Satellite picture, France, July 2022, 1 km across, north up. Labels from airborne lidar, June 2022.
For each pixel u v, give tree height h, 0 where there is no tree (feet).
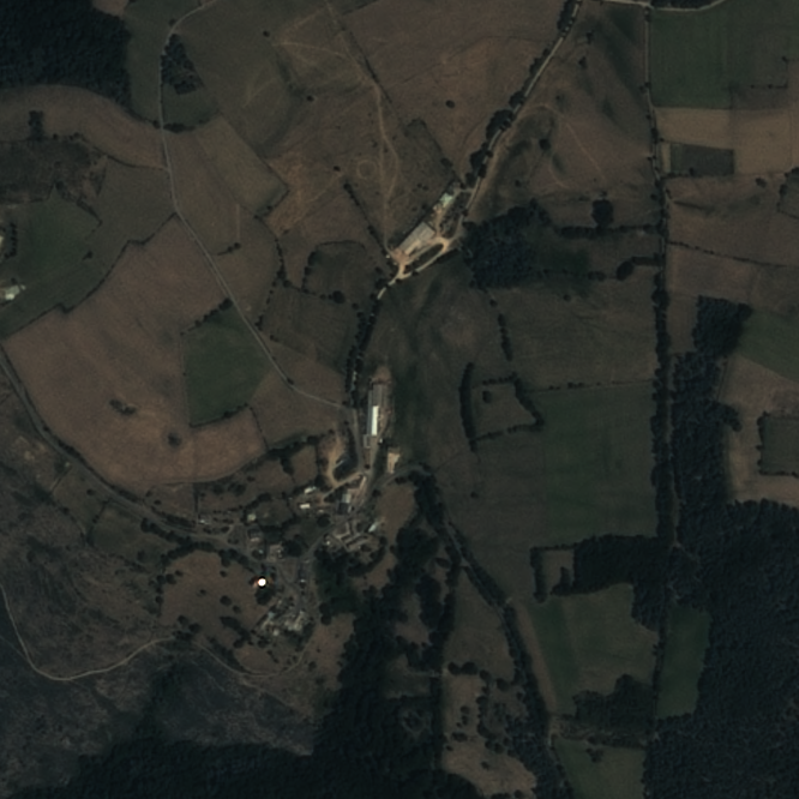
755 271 0
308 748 0
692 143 0
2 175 0
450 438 0
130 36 35
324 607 37
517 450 0
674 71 0
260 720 0
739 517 60
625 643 0
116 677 0
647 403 0
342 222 0
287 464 42
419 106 0
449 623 48
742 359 0
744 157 0
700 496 40
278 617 18
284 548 27
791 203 0
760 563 58
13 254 21
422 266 0
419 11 0
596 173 0
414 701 29
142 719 25
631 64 0
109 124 0
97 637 0
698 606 62
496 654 0
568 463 0
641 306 0
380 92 0
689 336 0
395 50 0
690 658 0
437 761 19
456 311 0
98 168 0
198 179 0
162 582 37
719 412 62
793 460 0
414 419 0
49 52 45
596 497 0
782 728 31
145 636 0
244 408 20
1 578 0
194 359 0
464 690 0
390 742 46
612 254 0
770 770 65
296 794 72
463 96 0
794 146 0
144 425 0
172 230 0
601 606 0
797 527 41
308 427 0
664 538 44
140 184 0
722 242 0
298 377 0
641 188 0
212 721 0
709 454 33
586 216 0
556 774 45
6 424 0
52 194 0
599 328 0
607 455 0
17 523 0
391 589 67
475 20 0
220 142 0
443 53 0
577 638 0
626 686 24
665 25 0
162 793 53
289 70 0
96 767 44
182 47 41
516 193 0
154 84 0
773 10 0
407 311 0
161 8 0
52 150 0
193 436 0
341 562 40
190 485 0
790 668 58
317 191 0
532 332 0
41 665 0
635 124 0
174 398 0
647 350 0
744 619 68
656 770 67
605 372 0
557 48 0
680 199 0
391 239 0
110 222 0
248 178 0
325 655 0
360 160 0
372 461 0
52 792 53
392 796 88
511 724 41
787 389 0
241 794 70
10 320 0
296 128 0
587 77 0
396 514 0
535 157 0
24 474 0
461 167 0
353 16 0
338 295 45
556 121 0
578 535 0
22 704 0
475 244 27
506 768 0
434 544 30
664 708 0
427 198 0
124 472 0
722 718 51
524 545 0
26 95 0
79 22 58
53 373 0
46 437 0
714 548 58
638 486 0
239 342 0
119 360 0
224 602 41
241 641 22
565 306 0
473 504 0
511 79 0
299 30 0
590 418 0
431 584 75
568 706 0
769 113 0
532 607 0
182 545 37
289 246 0
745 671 58
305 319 0
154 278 0
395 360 0
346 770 62
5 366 0
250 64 0
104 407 0
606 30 0
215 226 0
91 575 0
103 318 0
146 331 0
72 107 0
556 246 0
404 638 27
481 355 0
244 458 0
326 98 0
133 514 0
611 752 0
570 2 39
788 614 54
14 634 0
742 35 0
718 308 55
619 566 63
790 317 0
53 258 0
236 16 0
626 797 0
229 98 0
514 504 0
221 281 0
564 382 0
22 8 36
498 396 0
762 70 0
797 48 0
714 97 0
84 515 0
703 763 57
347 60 0
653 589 60
